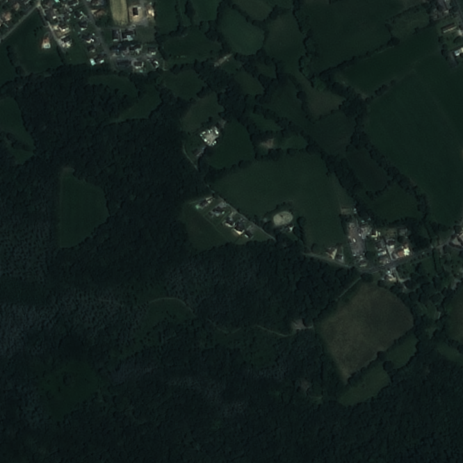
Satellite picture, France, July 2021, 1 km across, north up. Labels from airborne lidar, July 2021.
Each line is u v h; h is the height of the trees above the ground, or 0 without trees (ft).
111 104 84
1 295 65
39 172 75
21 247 43
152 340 47
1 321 62
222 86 72
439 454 108
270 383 84
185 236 36
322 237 0
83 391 0
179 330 71
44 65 0
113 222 88
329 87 32
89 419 82
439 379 61
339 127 0
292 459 92
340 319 0
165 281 53
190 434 79
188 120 0
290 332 52
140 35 0
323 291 95
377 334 0
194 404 74
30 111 36
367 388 0
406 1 0
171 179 91
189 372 61
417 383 93
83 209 0
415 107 0
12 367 67
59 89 43
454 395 61
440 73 0
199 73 78
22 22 0
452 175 0
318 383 37
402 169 0
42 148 58
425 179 0
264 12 0
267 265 66
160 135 94
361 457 82
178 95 0
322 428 85
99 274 67
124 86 0
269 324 24
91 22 0
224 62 0
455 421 50
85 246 78
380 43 0
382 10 0
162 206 82
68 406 0
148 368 55
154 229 78
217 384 67
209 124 42
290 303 59
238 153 0
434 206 0
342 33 0
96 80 0
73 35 0
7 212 70
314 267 108
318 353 67
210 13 0
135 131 79
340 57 0
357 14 0
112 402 98
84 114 52
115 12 0
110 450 71
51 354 66
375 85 0
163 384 70
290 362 53
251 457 105
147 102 0
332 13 0
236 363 84
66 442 74
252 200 0
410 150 0
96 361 56
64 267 54
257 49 0
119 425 102
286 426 77
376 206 0
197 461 99
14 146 54
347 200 0
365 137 50
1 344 67
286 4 0
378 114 0
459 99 0
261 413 54
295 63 0
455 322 0
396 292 64
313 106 0
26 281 41
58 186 69
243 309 62
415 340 0
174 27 0
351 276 70
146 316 50
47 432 89
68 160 67
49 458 43
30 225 68
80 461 70
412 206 0
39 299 60
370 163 0
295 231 62
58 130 47
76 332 68
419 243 42
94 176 87
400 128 0
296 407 61
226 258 63
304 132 44
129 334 58
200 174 54
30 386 70
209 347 33
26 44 0
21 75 63
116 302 47
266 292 52
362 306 0
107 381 24
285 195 0
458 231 47
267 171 0
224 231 0
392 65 0
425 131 0
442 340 59
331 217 0
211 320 50
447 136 0
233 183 0
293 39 0
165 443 70
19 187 72
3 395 70
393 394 85
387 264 0
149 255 66
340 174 62
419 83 0
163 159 75
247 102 78
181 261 72
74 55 0
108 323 62
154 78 65
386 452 71
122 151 95
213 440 100
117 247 53
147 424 67
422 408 56
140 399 81
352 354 0
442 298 60
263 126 0
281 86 75
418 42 0
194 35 0
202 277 52
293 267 95
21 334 55
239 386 71
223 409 74
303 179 0
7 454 63
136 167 85
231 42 0
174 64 0
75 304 47
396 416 59
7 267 36
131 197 78
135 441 46
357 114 39
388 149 0
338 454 99
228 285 60
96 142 64
